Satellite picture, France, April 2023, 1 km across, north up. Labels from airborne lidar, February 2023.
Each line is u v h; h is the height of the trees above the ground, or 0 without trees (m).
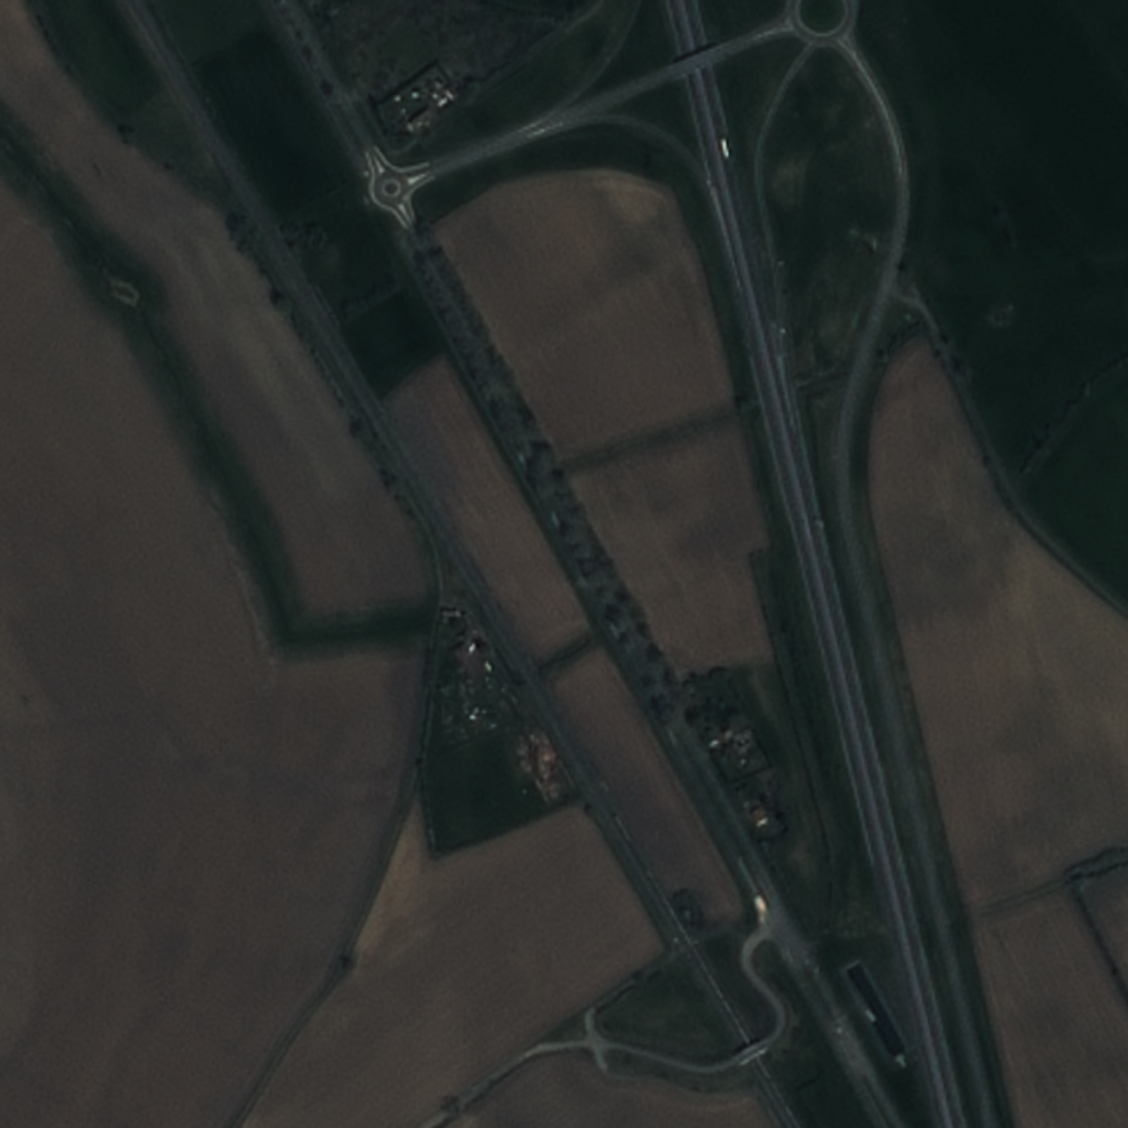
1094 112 0
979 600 0
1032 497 0
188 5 0
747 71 0
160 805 0
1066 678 0
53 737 0
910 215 0
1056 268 0
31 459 0
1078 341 0
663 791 0
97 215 0
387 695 0
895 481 0
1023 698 0
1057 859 0
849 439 0
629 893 0
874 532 0
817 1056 0
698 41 0
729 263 0
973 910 0
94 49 0
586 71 0
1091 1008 0
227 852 0
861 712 0
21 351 0
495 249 0
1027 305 0
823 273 0
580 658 0
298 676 0
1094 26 0
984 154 0
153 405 0
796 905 0
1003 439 0
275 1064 0
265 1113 0
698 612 0
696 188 0
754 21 0
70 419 0
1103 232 0
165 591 0
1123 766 0
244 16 0
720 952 0
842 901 0
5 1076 0
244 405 0
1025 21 0
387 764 0
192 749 0
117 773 0
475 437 0
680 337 0
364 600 0
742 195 0
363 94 0
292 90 0
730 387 0
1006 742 0
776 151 0
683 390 0
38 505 0
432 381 0
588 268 0
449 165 0
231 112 0
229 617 0
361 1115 0
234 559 0
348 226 0
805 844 0
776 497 0
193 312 0
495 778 0
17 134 0
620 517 0
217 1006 0
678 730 26
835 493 0
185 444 0
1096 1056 0
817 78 0
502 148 0
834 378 0
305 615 0
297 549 0
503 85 0
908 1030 0
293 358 0
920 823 0
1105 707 0
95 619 0
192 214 0
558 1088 0
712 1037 0
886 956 0
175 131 0
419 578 0
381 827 0
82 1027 0
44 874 0
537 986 0
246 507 0
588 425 0
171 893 0
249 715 0
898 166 0
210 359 0
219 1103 0
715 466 0
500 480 0
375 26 0
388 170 0
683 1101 0
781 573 0
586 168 0
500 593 0
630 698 0
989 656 0
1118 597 0
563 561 0
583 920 0
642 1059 0
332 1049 0
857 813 0
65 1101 0
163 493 0
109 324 0
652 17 0
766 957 0
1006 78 0
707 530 0
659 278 0
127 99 0
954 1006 0
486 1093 0
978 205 0
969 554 0
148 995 0
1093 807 0
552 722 0
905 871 0
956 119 0
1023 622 0
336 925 0
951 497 0
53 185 0
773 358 0
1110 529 0
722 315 0
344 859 0
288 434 0
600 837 0
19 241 0
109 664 0
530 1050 0
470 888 0
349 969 11
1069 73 0
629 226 0
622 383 0
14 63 0
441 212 0
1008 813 0
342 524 0
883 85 0
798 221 0
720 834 0
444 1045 0
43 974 0
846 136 0
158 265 0
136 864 0
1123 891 0
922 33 0
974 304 0
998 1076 0
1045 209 0
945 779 0
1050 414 0
